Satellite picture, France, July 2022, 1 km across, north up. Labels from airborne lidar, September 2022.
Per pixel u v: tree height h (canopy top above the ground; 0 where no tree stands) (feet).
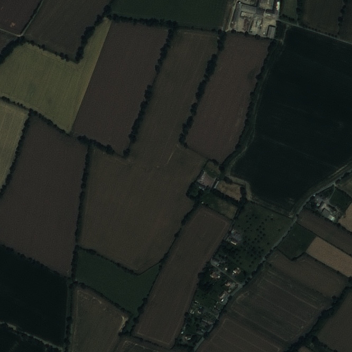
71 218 0
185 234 0
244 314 0
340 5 0
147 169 0
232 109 0
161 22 39
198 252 0
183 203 0
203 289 35
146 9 0
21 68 0
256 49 0
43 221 0
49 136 0
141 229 0
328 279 0
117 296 0
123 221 0
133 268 0
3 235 0
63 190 0
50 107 0
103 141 0
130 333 32
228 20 0
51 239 0
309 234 0
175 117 0
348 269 0
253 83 0
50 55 0
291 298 0
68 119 0
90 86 0
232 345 0
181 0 0
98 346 0
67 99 0
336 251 0
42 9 0
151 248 0
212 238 0
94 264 0
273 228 0
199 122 0
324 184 0
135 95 0
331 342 0
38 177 0
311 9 0
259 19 0
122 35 0
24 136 31
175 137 0
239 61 0
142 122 0
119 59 0
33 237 0
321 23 0
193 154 0
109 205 0
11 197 0
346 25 0
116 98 0
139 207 0
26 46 0
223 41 37
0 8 0
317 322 22
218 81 0
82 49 49
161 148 0
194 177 0
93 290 20
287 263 0
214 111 0
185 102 0
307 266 0
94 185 0
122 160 0
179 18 0
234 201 58
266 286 0
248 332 0
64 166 0
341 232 0
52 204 0
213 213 0
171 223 0
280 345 0
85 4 0
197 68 0
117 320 0
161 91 0
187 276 0
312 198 41
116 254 0
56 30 0
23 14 0
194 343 23
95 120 0
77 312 0
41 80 0
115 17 65
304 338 50
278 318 0
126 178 0
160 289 0
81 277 0
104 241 0
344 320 0
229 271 22
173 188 0
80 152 0
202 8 0
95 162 0
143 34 0
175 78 0
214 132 0
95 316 0
